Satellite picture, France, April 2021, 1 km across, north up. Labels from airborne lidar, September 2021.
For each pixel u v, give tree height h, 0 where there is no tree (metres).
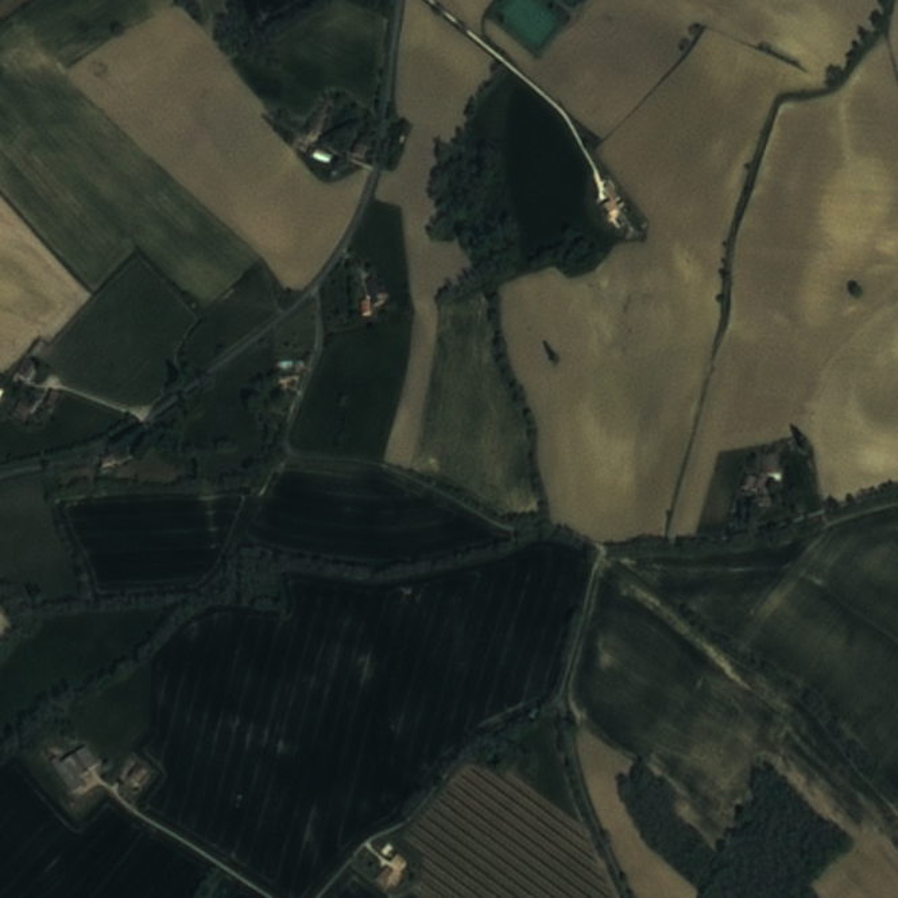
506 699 0
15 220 0
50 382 0
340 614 0
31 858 0
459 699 0
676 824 14
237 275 0
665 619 0
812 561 0
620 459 0
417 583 0
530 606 0
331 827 0
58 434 0
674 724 0
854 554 0
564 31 0
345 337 0
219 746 0
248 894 0
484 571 0
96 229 0
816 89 0
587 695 0
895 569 0
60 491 8
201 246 0
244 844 0
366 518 0
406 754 0
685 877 12
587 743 0
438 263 0
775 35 0
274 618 0
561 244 8
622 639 0
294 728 0
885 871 0
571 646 15
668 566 0
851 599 0
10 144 0
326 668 0
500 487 0
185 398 11
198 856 0
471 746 12
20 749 11
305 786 0
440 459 0
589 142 10
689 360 0
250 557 14
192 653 0
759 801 17
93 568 0
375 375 0
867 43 22
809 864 18
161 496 0
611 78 0
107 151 0
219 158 0
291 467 0
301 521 0
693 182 0
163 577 0
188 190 0
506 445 0
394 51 0
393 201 0
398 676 0
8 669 0
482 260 6
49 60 0
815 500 0
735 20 0
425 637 0
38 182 0
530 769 18
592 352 0
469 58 0
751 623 0
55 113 0
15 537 0
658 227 0
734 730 0
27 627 15
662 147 0
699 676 0
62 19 0
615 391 0
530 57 0
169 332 0
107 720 0
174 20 0
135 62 0
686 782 0
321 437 0
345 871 0
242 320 0
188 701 0
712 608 0
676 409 0
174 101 0
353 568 13
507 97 0
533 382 0
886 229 0
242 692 0
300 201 0
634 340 0
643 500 0
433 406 0
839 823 0
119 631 0
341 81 0
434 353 0
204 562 0
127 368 0
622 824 0
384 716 0
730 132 0
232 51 19
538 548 0
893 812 0
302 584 0
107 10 0
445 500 0
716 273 0
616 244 0
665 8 0
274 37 17
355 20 0
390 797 0
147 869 0
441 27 0
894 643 0
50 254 0
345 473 0
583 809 11
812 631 0
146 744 0
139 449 20
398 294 0
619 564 0
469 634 0
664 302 0
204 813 0
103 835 0
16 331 0
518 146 0
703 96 0
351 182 0
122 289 0
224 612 0
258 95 0
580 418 0
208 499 0
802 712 0
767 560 0
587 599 0
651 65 0
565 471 0
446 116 0
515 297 0
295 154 0
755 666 11
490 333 0
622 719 0
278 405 18
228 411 0
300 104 0
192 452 20
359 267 11
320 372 0
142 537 0
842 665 0
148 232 0
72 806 0
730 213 0
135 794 0
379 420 0
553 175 0
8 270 0
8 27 0
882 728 0
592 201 0
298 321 0
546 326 0
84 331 0
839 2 0
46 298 0
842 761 0
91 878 0
